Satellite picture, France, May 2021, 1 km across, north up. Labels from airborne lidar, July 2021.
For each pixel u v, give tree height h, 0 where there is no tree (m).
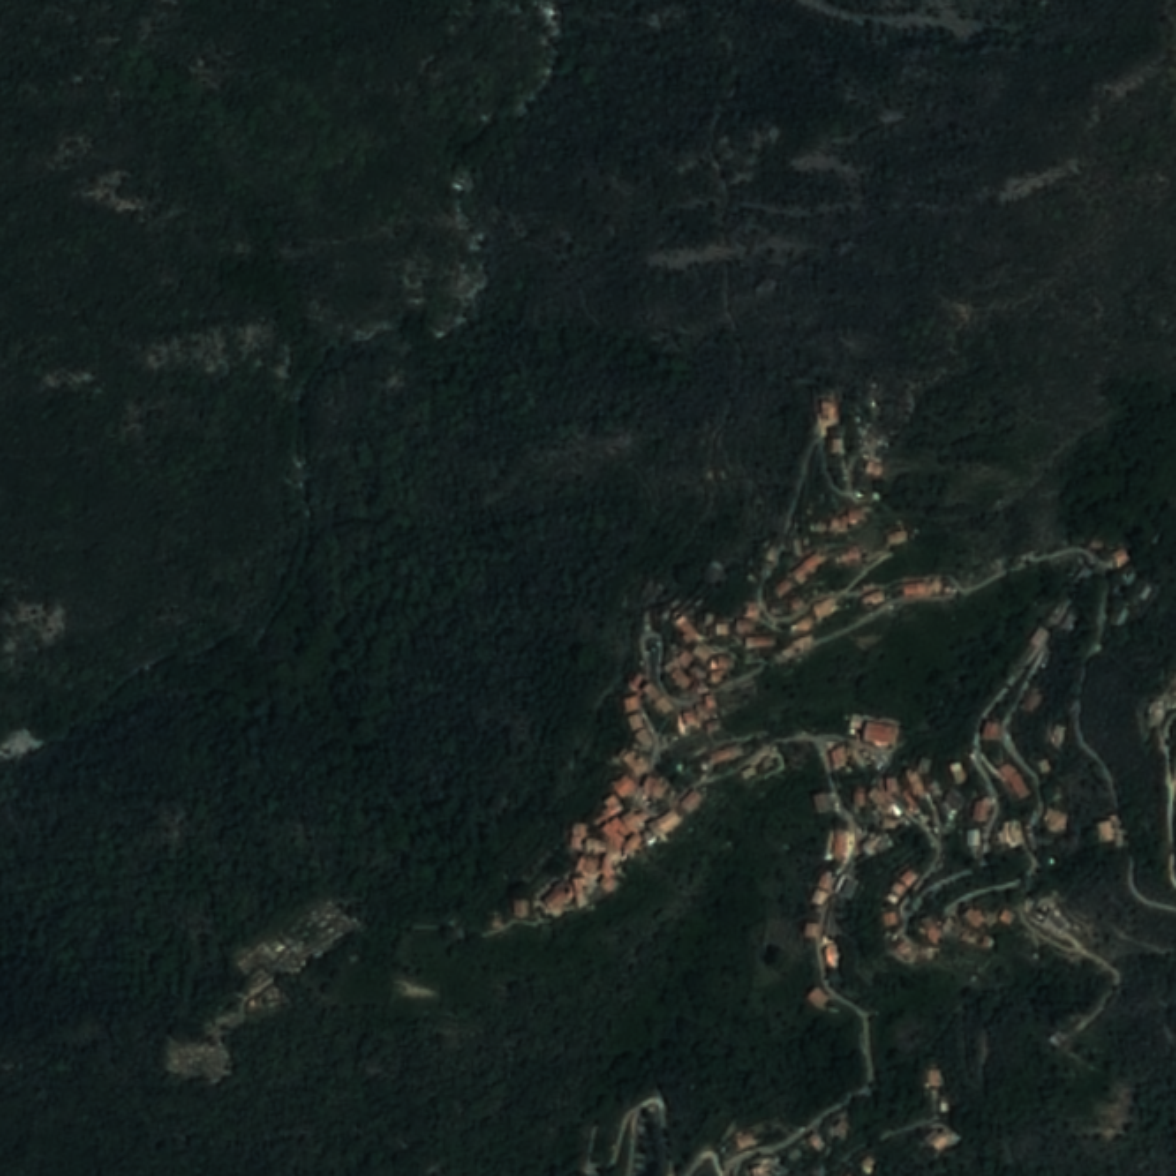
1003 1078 6
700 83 9
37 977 13
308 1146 12
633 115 7
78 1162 9
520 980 6
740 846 7
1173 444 15
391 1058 10
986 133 6
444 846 20
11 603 12
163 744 10
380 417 8
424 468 10
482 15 8
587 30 7
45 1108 7
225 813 11
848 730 6
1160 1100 11
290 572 9
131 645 8
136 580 6
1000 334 6
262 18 7
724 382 7
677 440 8
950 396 13
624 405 9
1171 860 0
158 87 19
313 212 6
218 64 10
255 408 8
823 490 7
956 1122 14
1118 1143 8
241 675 13
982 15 8
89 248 7
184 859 7
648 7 8
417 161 8
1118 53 6
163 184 8
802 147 11
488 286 9
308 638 13
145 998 12
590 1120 14
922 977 6
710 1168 0
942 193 6
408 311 9
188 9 6
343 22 8
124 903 5
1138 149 7
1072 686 10
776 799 7
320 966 9
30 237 9
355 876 12
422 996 0
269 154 11
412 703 7
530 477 7
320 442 12
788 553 6
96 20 7
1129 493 13
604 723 8
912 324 6
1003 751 0
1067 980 8
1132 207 8
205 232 9
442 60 11
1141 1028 8
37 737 8
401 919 7
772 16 6
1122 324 6
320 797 10
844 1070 18
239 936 12
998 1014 9
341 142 14
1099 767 9
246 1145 10
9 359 10
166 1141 12
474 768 10
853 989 10
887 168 10
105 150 6
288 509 11
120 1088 11
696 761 6
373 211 6
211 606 7
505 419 9
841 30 6
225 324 11
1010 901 7
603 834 6
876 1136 10
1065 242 7
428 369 11
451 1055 9
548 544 7
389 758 15
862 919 10
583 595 7
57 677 8
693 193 6
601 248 8
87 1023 11
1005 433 8
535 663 9
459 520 13
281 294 21
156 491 9
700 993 11
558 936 13
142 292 10
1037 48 6
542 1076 7
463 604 11
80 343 7
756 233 7
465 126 19
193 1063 0
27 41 7
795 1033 9
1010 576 9
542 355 8
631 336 5
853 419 8
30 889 7
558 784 7
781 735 10
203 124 10
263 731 17
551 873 10
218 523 7
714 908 16
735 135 7
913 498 14
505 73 7
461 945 7
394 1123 8
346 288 8
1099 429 9
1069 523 8
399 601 13
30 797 9
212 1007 7
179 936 16
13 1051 6
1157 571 11
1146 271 7
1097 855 6
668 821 0
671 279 10
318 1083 12
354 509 10
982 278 8
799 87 8
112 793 7
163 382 14
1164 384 11
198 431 6
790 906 6
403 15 8
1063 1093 10
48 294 6
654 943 8
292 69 9
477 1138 15
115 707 8
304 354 13
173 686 7
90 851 12
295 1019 6
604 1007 8
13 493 7
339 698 11
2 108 7
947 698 6
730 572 7
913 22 0
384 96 6
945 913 7
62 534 9
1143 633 9
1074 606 7
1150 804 6
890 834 7
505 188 7
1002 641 12
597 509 10
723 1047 7
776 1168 0
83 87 9
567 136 6
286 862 15
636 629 9
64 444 6
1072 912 0
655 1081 13
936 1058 10
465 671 8
